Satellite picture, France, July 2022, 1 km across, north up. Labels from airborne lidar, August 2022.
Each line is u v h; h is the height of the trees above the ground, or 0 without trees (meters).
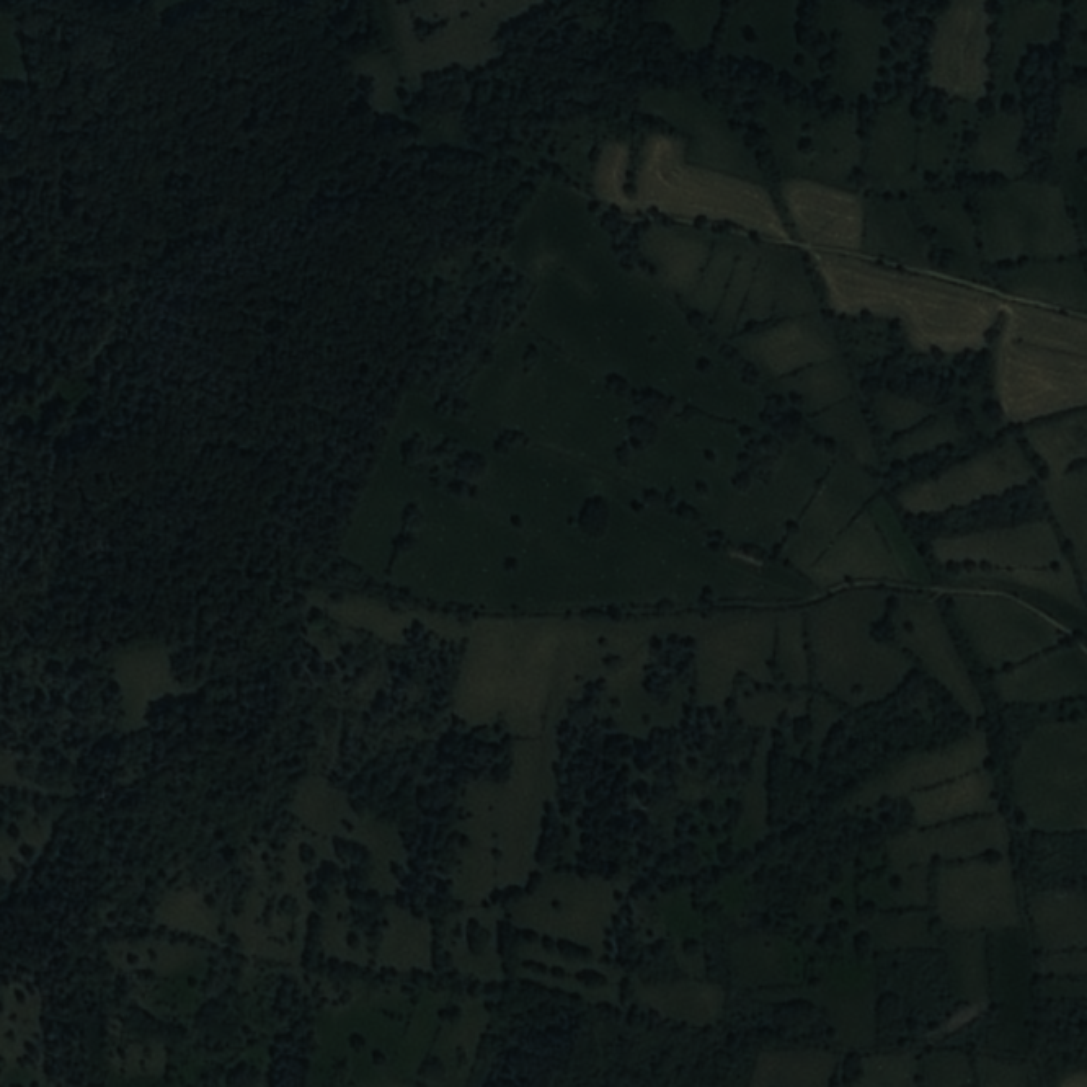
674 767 16
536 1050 17
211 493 23
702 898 7
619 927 12
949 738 6
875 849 12
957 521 6
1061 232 0
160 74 22
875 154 0
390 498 0
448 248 17
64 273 8
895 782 0
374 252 17
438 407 14
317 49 27
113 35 23
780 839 11
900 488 12
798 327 0
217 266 26
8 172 25
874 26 0
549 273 0
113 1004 14
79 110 26
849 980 0
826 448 12
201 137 26
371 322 18
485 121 17
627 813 17
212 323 21
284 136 24
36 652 9
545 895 0
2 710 10
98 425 18
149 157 28
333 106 26
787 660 0
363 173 20
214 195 27
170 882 6
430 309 16
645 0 23
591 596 0
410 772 13
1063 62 21
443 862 7
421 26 12
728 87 13
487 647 0
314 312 22
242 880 9
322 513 20
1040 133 17
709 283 0
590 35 8
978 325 0
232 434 10
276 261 24
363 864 21
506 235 10
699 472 0
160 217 9
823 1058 0
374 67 0
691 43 0
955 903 0
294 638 6
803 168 0
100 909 12
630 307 0
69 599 25
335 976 14
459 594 0
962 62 0
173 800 9
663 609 9
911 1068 0
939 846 0
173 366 19
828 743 9
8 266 14
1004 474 0
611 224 15
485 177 18
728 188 0
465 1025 0
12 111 24
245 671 14
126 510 21
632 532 0
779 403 11
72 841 9
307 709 13
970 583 0
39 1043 11
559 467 0
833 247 0
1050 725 0
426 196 20
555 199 0
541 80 15
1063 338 0
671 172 0
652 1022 9
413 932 0
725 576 0
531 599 0
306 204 17
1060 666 0
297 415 15
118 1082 0
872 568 0
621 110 17
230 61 23
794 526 10
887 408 0
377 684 0
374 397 18
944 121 15
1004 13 17
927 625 0
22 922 20
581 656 0
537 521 0
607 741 16
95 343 33
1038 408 0
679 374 0
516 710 0
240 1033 10
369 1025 0
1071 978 8
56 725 12
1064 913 0
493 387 0
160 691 0
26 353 27
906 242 0
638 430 12
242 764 9
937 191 10
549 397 0
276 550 11
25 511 33
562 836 8
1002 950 0
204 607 23
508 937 17
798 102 24
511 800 0
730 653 0
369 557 0
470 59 0
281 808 8
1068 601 0
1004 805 12
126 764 14
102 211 24
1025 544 0
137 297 16
